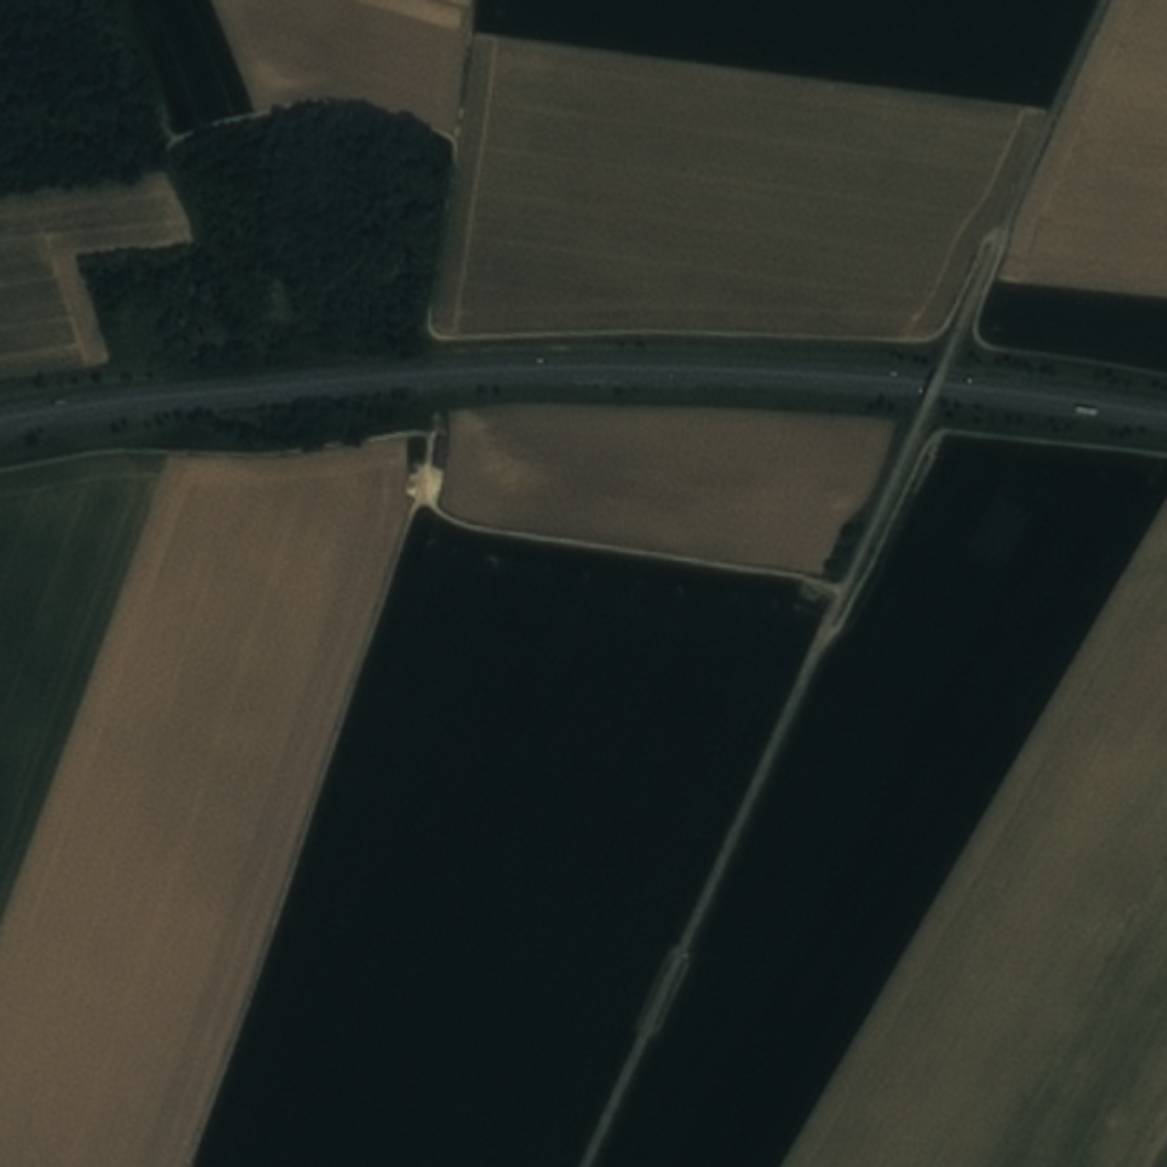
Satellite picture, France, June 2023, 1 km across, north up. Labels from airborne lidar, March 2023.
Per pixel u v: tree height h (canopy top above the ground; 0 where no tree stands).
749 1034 0
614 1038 0
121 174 14
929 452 0
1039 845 0
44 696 0
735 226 0
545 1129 0
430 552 0
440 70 0
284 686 0
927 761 0
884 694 0
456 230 0
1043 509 0
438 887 0
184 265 7
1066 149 0
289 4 0
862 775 0
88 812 0
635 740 0
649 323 0
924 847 0
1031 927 0
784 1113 0
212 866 0
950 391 0
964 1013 0
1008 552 0
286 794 0
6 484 0
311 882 0
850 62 0
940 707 0
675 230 0
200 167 6
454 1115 0
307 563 0
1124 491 0
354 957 0
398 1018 0
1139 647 0
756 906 0
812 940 0
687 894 0
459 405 0
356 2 0
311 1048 0
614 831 0
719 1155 0
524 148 0
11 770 0
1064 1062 0
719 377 0
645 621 0
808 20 0
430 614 0
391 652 0
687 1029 0
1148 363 0
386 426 0
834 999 0
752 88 0
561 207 0
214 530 0
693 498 0
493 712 0
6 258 0
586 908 0
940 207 0
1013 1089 0
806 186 0
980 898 0
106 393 0
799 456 0
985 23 0
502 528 0
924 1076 0
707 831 0
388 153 23
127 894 0
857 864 0
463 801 0
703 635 0
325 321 15
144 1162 0
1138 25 0
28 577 0
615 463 0
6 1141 0
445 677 0
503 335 0
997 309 0
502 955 0
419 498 0
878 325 0
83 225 0
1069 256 0
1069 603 0
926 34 0
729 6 0
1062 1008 0
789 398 0
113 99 29
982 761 0
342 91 0
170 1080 0
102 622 0
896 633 0
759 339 0
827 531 0
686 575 0
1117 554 0
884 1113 0
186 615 0
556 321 0
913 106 0
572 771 0
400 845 0
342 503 0
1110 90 0
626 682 0
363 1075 0
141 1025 0
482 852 0
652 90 0
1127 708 0
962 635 0
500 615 0
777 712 0
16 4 21
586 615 0
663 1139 0
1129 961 0
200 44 0
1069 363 0
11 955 0
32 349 0
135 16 0
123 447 0
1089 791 0
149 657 0
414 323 20
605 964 0
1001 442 0
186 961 0
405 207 27
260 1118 0
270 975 0
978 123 0
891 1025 0
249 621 0
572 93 0
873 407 8
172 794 0
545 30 0
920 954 0
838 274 0
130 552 0
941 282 0
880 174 0
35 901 0
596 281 0
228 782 0
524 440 0
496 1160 0
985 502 0
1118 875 0
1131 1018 0
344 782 0
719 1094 0
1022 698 0
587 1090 0
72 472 0
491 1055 0
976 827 0
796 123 0
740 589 0
